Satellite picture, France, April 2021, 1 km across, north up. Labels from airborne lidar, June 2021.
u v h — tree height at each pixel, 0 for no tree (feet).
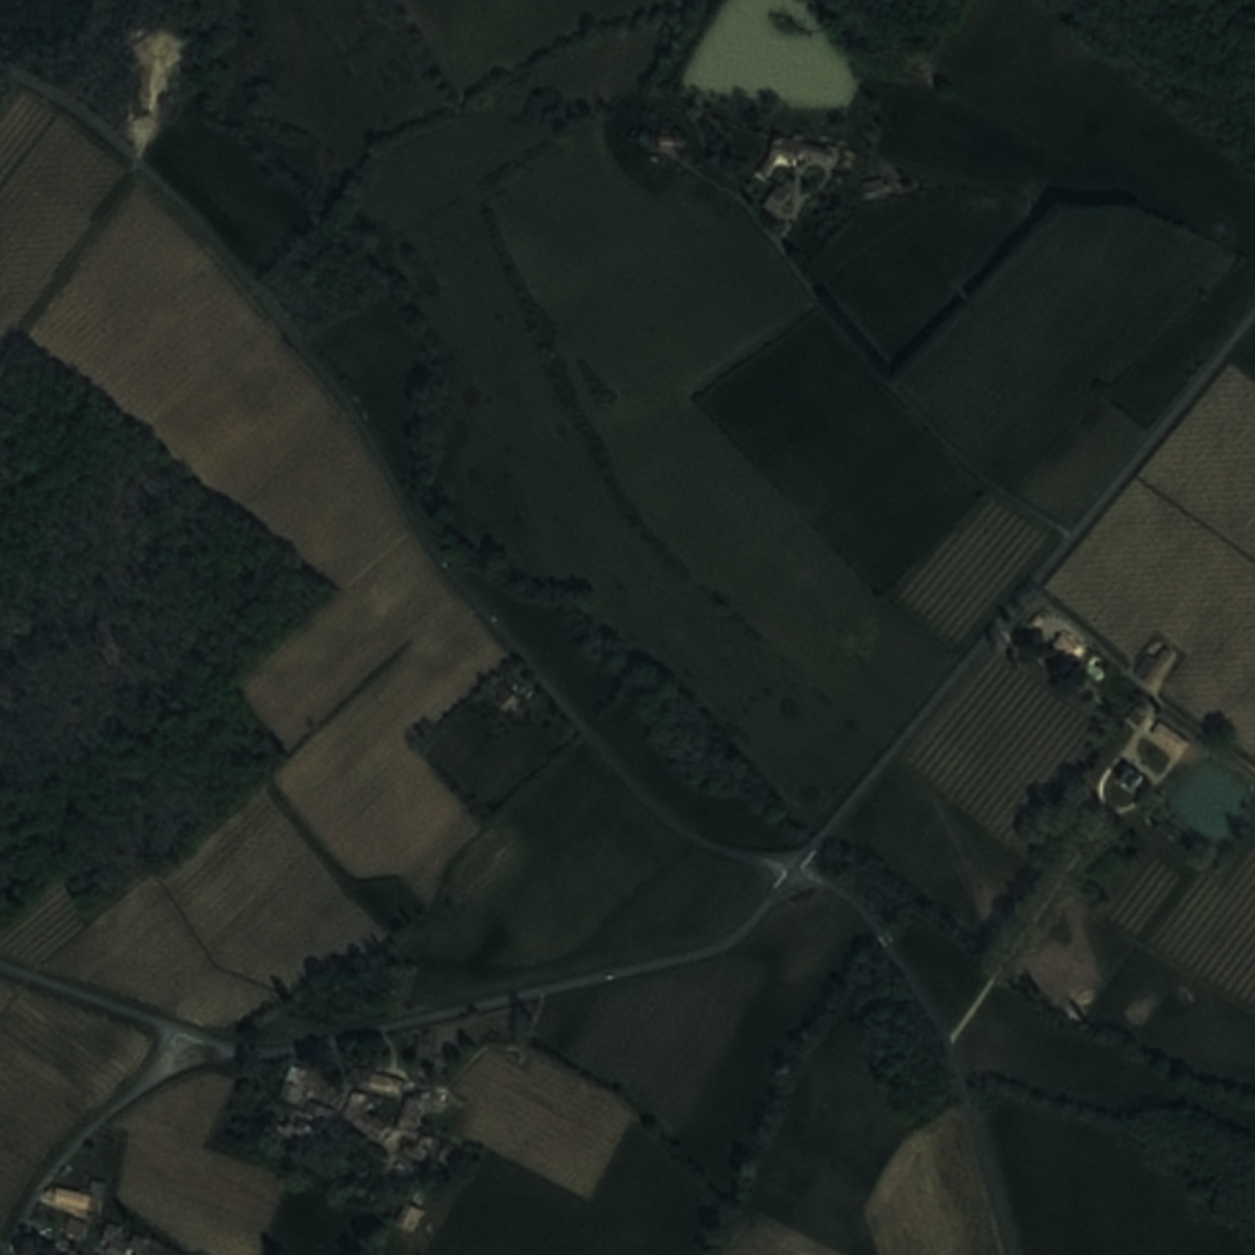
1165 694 0
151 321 0
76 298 0
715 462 0
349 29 0
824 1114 0
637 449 0
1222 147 28
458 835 0
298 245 54
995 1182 0
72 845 76
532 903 0
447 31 0
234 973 0
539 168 0
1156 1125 51
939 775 0
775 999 0
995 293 0
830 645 0
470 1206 0
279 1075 33
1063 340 0
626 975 0
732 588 0
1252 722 0
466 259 0
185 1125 0
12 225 0
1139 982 0
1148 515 0
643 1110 0
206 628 67
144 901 0
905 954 0
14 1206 0
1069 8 64
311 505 0
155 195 0
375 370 0
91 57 46
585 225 0
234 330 0
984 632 0
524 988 0
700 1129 0
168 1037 0
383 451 0
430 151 0
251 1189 0
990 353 0
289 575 66
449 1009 0
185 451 0
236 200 0
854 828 0
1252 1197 66
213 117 41
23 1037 0
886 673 0
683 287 0
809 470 0
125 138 28
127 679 69
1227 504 0
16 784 69
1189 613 0
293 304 36
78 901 62
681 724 79
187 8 52
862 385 0
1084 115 0
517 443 0
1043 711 0
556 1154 0
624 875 0
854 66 27
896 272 0
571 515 0
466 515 0
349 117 0
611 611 0
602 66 0
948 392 0
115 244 0
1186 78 59
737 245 0
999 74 0
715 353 0
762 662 0
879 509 0
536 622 0
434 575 0
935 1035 63
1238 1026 0
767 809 66
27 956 0
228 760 68
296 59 0
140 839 75
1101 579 0
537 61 32
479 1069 0
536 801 0
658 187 0
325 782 0
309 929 0
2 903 65
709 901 0
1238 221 0
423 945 0
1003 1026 0
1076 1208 0
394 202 0
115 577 66
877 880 58
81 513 66
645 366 0
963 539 0
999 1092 39
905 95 0
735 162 51
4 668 73
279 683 0
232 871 0
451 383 59
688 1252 0
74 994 0
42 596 59
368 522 0
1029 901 82
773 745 0
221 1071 0
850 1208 0
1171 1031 0
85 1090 0
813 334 0
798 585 0
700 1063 0
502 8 0
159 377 0
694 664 0
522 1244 0
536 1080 0
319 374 0
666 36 29
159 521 78
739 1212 51
